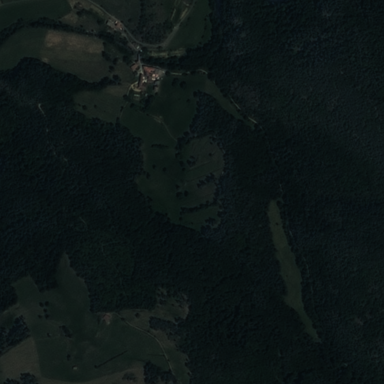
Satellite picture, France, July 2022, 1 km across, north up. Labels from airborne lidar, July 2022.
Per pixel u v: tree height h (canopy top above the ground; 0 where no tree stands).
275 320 27
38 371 0
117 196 22
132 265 6
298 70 11
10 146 30
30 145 14
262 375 25
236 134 20
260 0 14
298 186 12
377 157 8
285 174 12
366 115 8
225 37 18
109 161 26
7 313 0
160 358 0
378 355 8
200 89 0
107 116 0
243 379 15
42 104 13
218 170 0
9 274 21
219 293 26
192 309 20
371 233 11
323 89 8
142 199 23
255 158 14
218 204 7
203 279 18
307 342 7
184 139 16
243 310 26
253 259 26
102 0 0
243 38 8
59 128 17
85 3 0
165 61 8
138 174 18
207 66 14
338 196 8
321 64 9
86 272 6
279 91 7
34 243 18
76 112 15
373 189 14
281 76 13
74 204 16
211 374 13
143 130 0
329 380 12
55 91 27
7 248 26
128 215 23
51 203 26
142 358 0
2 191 17
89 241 8
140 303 11
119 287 9
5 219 20
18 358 0
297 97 8
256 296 22
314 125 9
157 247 19
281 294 25
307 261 7
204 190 0
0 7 0
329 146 16
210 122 15
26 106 8
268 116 10
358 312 9
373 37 23
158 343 0
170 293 14
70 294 0
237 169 13
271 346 16
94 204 17
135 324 0
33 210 17
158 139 0
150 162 0
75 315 0
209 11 0
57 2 0
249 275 27
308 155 14
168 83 0
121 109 6
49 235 14
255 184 21
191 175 0
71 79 26
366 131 9
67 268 0
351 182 19
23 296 0
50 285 14
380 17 28
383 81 20
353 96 11
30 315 0
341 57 11
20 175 20
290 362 19
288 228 12
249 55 12
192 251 15
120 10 0
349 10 19
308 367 17
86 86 28
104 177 24
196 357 14
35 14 0
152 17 6
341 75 11
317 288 11
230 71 17
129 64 12
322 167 15
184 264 23
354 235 13
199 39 0
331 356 11
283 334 24
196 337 17
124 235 7
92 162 21
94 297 9
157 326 15
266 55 14
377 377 16
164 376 13
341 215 12
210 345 21
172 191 0
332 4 11
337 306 16
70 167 8
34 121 10
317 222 22
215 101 22
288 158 13
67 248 16
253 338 29
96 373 0
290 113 9
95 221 10
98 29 0
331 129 11
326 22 18
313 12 23
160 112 0
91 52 0
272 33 7
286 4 21
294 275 0
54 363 0
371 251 12
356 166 18
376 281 6
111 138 25
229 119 22
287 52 12
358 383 17
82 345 0
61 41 0
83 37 0
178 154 11
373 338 11
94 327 0
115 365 0
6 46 0
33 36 0
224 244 23
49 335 13
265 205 16
